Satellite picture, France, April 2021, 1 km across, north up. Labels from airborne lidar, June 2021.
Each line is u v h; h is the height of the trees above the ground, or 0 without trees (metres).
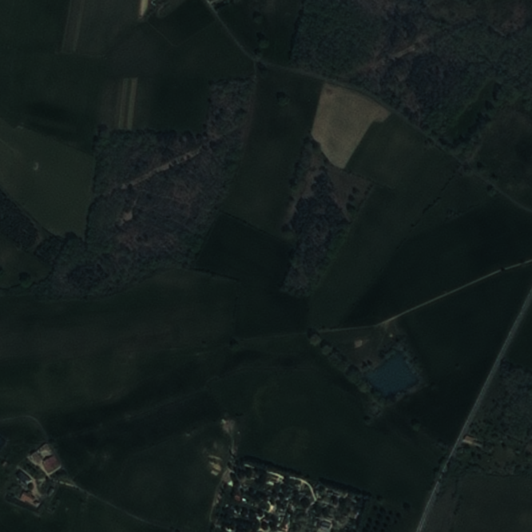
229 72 0
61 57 0
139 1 0
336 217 24
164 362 0
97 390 0
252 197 0
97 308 0
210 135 6
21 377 0
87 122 0
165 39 0
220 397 0
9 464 10
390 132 0
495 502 0
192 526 0
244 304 0
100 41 0
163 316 0
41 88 0
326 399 0
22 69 0
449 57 17
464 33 18
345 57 20
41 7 0
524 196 0
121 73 0
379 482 0
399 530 0
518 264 0
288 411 0
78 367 0
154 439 0
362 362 0
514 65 25
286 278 9
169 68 0
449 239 0
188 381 0
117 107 0
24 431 0
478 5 7
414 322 0
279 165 0
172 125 0
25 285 15
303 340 0
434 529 0
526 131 0
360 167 0
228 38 0
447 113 19
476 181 0
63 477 12
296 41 13
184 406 0
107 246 18
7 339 0
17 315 0
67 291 9
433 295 0
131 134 10
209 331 0
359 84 12
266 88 0
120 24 0
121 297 0
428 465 0
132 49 0
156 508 0
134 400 0
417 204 0
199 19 0
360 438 0
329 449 0
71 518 0
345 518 12
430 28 15
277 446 0
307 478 6
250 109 0
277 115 0
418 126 7
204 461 0
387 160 0
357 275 0
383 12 8
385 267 0
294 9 0
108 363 0
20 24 0
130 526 0
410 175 0
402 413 0
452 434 0
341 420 0
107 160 13
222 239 0
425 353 0
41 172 0
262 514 9
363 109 0
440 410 0
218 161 16
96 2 0
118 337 0
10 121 0
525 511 0
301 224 16
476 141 13
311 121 0
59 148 0
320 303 0
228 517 9
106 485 0
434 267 0
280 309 0
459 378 0
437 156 0
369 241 0
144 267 14
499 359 0
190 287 0
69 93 0
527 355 0
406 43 9
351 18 20
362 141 0
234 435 0
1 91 0
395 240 0
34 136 0
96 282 9
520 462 0
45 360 0
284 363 0
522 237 0
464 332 0
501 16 0
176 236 10
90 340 0
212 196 13
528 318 0
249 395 0
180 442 0
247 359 0
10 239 8
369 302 0
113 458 0
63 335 0
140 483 0
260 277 0
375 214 0
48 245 6
